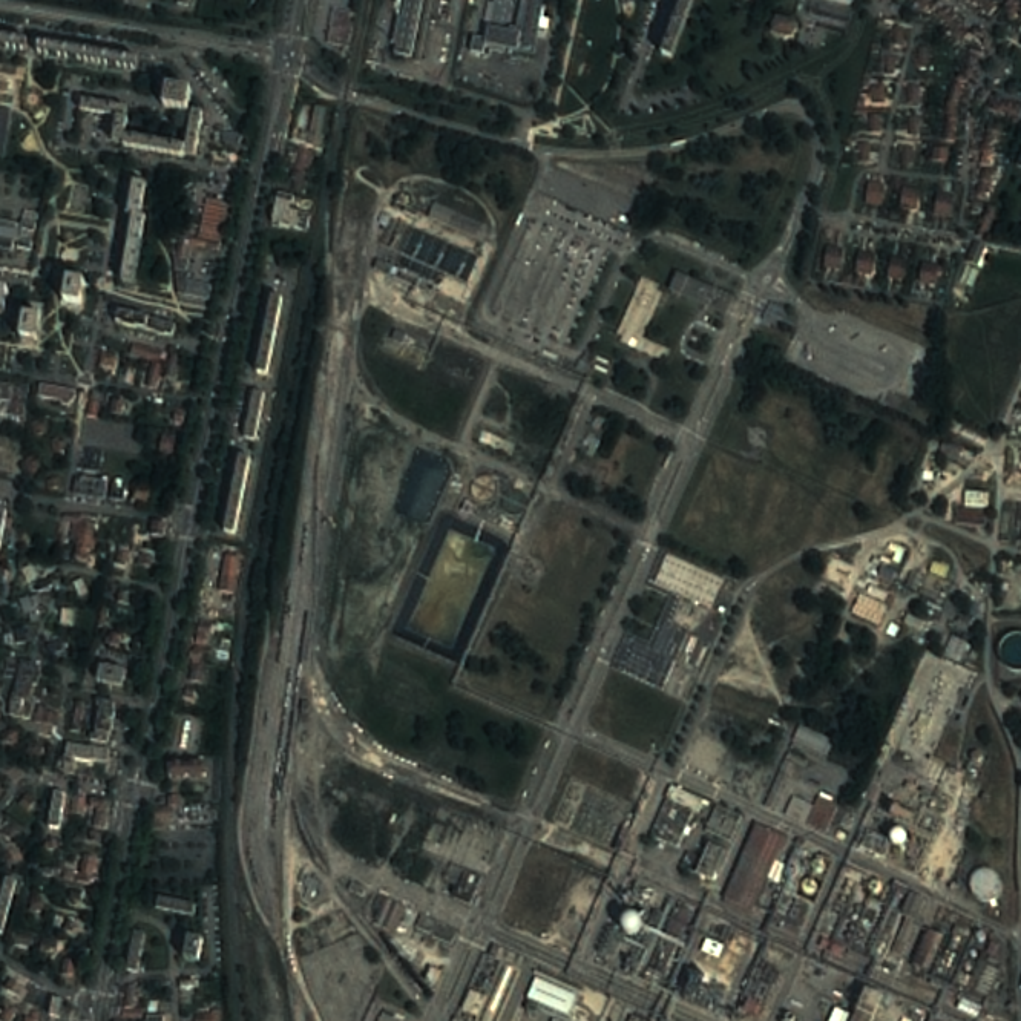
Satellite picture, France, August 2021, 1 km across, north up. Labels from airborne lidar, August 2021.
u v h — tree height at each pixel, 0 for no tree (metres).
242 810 0
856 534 0
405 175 0
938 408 21
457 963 0
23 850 8
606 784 0
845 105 0
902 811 0
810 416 0
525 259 0
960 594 15
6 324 15
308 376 12
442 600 0
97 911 13
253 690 11
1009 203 16
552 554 0
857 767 7
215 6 0
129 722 24
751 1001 0
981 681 0
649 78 7
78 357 0
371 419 0
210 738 6
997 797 0
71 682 7
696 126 0
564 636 0
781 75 0
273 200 16
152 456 11
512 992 0
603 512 0
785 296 0
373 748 0
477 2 0
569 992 0
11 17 9
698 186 13
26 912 6
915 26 0
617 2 0
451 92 7
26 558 8
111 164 20
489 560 0
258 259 16
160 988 8
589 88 0
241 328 20
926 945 0
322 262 7
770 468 0
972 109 7
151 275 9
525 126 0
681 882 0
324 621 0
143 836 14
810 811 0
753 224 12
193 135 0
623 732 0
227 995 6
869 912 0
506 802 0
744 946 0
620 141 0
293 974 0
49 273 15
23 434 18
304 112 0
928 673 0
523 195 0
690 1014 0
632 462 0
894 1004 0
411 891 0
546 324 0
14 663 0
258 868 0
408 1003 12
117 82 10
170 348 9
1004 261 0
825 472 0
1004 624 0
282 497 14
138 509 10
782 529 0
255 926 0
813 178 0
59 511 8
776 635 0
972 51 0
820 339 0
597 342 7
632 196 0
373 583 0
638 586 0
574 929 0
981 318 0
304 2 0
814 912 0
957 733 0
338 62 10
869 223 7
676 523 0
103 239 18
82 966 27
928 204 6
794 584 0
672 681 0
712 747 0
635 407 0
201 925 7
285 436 11
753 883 0
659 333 11
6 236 0
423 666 0
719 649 7
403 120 14
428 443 0
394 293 0
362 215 0
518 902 0
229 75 12
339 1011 0
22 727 10
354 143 0
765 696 0
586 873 0
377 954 12
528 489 0
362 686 0
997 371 0
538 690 15
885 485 0
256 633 12
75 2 7
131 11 9
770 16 16
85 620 0
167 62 0
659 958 0
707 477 0
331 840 0
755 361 17
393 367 0
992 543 0
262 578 15
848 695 15
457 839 0
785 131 10
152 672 11
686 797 0
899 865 0
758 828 0
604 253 0
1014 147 12
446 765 0
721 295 0
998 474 0
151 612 19
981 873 0
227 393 17
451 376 0
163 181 18
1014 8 0
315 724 0
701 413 0
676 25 0
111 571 16
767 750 11
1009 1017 0
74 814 7
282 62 0
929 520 0
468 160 15
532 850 0
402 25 0
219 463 16
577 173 0
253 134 19
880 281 6
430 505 0
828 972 0
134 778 0
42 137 0
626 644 0
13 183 8
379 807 0
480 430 0
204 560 10
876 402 13
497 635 12
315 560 0
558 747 0
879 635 0
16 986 0
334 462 0
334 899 0
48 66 13
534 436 0
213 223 0
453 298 0
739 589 0
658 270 0
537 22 0
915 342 0
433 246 0
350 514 0
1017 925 0
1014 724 17
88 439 0
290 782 0
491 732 18
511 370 0
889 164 0
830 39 0
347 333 0
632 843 0
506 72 0
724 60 0
